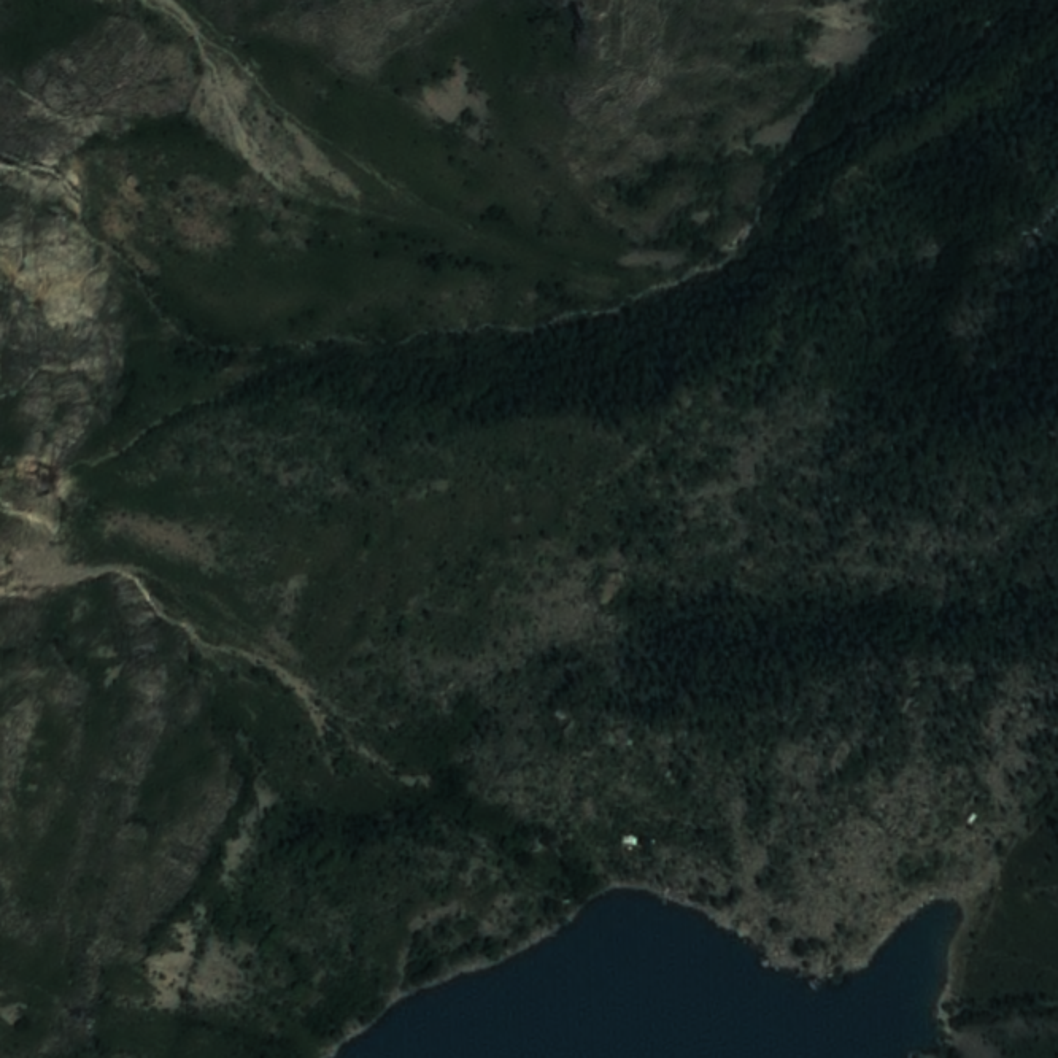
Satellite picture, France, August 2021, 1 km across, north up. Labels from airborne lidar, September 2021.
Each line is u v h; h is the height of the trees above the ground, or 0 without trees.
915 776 0
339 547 0
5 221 0
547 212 7
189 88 0
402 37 0
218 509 0
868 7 8
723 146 15
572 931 0
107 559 0
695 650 11
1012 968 0
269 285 0
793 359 5
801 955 14
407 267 0
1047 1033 0
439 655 7
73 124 0
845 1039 0
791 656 19
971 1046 0
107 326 0
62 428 0
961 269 13
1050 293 16
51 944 0
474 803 7
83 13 0
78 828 0
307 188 0
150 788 0
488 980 0
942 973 0
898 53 11
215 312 0
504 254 0
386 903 10
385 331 7
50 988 0
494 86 0
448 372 8
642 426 7
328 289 0
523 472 7
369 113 0
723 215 14
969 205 12
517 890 9
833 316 9
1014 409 18
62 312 0
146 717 0
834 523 6
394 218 0
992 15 7
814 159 12
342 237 0
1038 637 9
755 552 16
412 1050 0
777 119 8
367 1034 0
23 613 0
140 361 0
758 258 7
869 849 0
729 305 10
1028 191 8
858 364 8
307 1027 5
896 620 13
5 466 0
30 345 0
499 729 6
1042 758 9
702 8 0
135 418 0
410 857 6
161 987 0
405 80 0
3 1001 0
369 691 8
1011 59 9
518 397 10
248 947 0
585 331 15
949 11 8
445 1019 0
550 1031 0
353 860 8
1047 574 11
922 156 10
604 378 11
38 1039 0
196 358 7
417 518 0
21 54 0
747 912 0
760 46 9
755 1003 0
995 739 0
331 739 7
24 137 0
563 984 0
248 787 7
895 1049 0
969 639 13
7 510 0
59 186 0
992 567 8
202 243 0
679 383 19
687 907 0
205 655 0
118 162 0
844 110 10
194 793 0
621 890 0
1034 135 15
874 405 18
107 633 0
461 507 0
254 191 0
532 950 0
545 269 0
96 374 0
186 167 0
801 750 0
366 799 0
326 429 6
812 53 0
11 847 0
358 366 7
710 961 0
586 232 0
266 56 0
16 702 0
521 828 7
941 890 0
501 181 0
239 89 0
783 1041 0
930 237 7
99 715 0
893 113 14
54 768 0
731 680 6
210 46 0
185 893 7
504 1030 0
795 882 0
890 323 13
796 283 22
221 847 6
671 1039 0
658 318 12
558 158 0
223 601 0
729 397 9
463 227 0
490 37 0
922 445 9
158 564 0
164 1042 0
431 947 7
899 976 0
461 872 8
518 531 0
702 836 16
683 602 6
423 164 0
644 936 0
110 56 0
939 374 14
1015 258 6
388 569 0
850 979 0
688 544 6
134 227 0
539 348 9
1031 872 0
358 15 0
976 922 0
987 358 11
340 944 7
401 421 6
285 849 13
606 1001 0
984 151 13
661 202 0
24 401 0
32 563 0
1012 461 6
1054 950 0
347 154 0
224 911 6
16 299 0
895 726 6
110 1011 0
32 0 0
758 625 7
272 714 0
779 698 11
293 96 0
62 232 0
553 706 6
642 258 0
